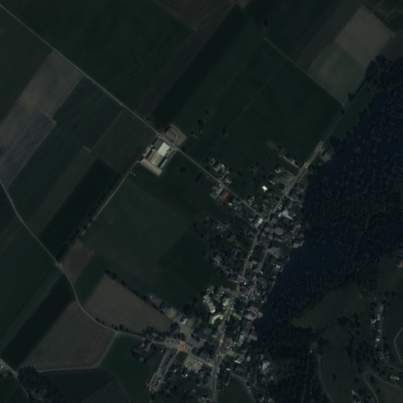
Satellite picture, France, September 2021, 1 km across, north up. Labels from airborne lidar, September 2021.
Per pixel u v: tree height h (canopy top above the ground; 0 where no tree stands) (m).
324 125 0
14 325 0
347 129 0
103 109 0
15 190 0
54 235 0
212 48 0
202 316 7
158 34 0
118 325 0
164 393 6
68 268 0
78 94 0
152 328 7
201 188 0
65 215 0
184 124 0
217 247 6
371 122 30
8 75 0
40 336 0
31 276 0
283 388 12
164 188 0
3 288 0
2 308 0
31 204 0
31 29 0
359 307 0
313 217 26
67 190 0
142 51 0
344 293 0
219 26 0
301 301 27
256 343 9
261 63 0
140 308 0
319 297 18
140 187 0
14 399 0
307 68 0
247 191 0
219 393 0
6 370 0
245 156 0
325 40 0
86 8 0
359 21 0
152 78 0
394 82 31
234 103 0
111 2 0
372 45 0
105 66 0
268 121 0
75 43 0
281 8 0
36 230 0
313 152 0
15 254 0
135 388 0
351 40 0
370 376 0
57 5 0
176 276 0
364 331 0
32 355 0
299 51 0
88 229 11
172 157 0
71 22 0
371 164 23
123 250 0
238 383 0
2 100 0
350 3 0
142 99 0
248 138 0
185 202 0
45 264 0
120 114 0
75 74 0
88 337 0
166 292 0
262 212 0
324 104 0
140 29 0
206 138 0
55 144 0
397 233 6
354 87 0
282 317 30
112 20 0
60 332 0
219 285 0
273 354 18
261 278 0
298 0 0
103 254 0
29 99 0
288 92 0
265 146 0
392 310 0
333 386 0
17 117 0
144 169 0
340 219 30
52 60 0
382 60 8
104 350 0
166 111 0
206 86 0
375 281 17
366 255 33
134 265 0
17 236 0
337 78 0
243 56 0
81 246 0
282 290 6
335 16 0
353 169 30
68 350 0
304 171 0
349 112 0
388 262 0
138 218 0
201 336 0
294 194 0
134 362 0
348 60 0
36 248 0
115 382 0
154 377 0
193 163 0
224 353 0
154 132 0
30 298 0
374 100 0
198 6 0
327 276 29
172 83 0
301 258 21
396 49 0
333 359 0
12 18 0
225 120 0
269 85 0
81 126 0
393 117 30
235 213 0
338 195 26
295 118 0
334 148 22
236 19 0
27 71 0
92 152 0
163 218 0
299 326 0
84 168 0
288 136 0
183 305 0
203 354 0
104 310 0
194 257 0
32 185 0
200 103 0
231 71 0
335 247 31
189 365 0
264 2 0
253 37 0
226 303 0
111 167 0
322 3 0
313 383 18
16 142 0
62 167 0
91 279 0
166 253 0
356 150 31
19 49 0
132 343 0
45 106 0
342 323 14
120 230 0
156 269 0
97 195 0
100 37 0
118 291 0
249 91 0
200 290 0
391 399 0
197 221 0
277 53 0
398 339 0
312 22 0
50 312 0
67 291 0
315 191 24
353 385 0
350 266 29
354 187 27
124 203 0
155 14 0
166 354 0
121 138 0
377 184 22
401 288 0
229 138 0
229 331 19
